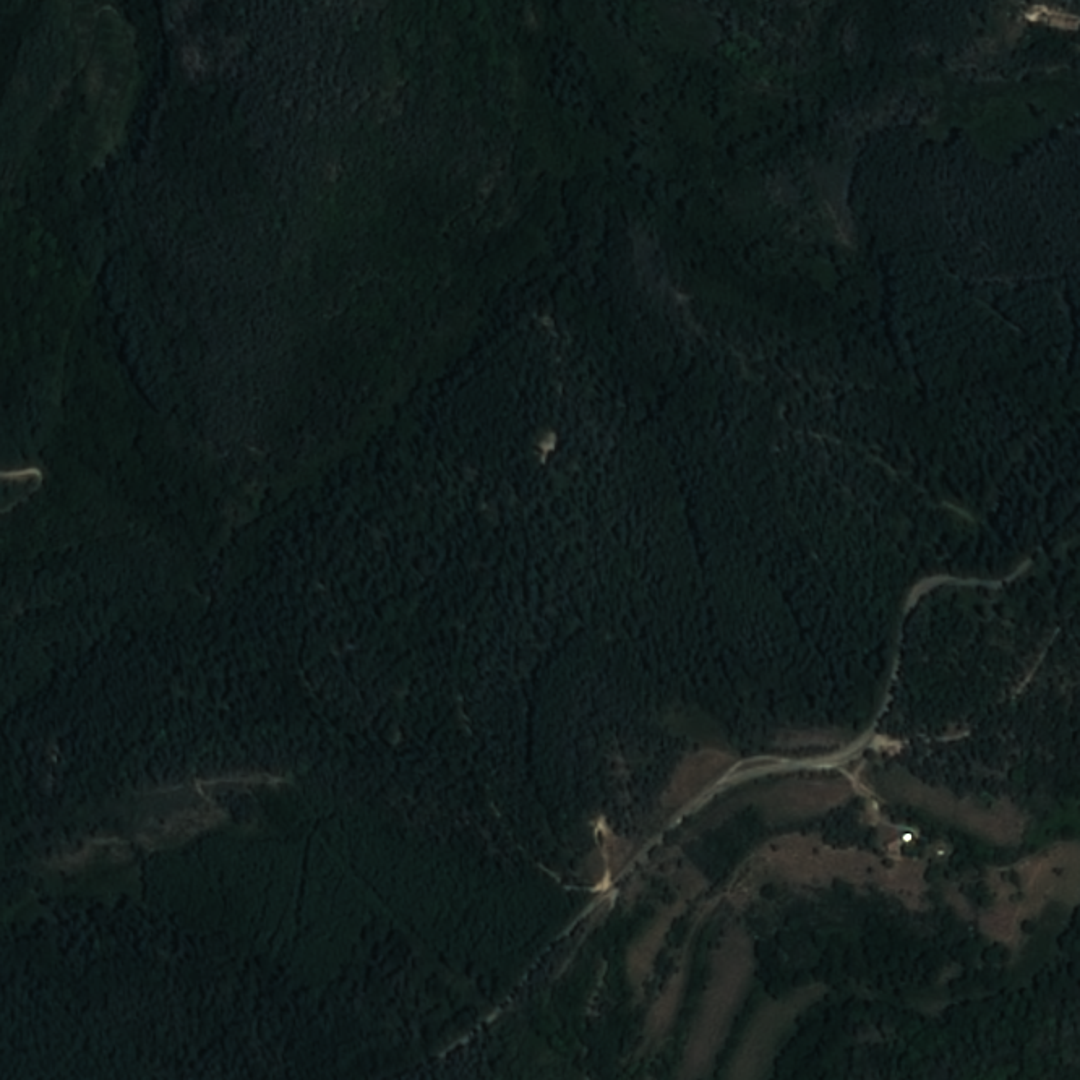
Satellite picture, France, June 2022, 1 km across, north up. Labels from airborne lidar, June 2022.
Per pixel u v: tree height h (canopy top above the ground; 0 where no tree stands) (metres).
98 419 17
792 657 29
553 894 11
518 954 10
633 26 14
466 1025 11
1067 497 24
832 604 20
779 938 14
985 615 23
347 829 10
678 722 0
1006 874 8
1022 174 19
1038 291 29
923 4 19
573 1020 13
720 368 19
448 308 16
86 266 28
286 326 19
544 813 9
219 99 21
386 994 10
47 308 27
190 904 13
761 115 7
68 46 30
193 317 18
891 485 18
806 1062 21
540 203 20
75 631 33
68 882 11
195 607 23
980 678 14
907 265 32
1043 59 27
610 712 18
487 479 11
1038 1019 8
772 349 13
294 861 12
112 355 17
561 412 16
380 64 20
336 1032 24
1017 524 19
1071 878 0
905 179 28
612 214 16
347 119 18
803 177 10
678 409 24
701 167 7
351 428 24
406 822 7
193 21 19
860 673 25
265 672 17
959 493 30
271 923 12
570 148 7
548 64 12
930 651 18
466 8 25
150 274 19
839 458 15
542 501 16
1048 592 18
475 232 17
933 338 31
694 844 0
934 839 7
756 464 16
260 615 20
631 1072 11
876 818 0
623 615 25
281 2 13
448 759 16
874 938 16
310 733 23
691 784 0
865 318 15
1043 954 0
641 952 0
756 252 12
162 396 29
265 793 9
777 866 0
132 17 23
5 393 23
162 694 14
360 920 13
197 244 17
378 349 20
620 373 25
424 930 10
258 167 13
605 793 6
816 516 11
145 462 13
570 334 14
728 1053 10
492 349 21
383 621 18
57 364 21
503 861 14
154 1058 14
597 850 0
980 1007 19
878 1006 23
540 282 16
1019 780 17
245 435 19
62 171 18
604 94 7
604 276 18
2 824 26
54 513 15
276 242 12
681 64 6
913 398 18
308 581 20
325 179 18
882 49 28
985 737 13
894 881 0
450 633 10
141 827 0
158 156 19
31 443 20
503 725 16
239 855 7
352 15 14
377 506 18
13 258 23
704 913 0
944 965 22
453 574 14
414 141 18
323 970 11
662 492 30
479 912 10
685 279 7
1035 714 16
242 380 17
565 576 11
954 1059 6
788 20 13
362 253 22
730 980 0
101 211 26
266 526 25
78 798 14
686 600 23
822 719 11
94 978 18
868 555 9
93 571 30
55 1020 35
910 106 12
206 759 12
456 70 17
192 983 18
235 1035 18
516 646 14
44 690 11
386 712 15
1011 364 23
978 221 17
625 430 22
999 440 18
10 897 32
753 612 19
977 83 17
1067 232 18
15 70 26
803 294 11
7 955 26
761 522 20
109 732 17
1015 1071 9
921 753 13
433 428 20
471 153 16
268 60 20
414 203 18
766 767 0
